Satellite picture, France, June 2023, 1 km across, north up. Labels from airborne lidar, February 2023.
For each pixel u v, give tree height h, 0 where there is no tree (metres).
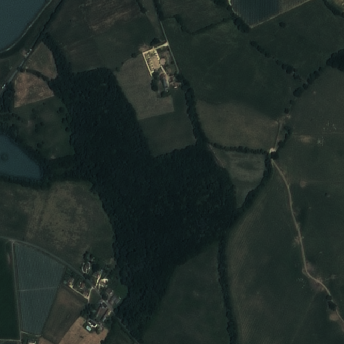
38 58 0
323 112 0
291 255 0
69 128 10
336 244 0
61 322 0
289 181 0
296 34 0
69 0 0
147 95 0
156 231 33
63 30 0
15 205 0
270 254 0
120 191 24
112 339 0
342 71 15
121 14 0
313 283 0
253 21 0
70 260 0
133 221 20
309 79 12
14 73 0
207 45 0
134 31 0
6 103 20
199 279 0
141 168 26
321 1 0
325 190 0
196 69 0
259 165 0
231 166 0
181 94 0
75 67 0
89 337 0
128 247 24
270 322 0
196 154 22
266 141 0
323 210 0
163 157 16
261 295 0
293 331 0
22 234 0
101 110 27
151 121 0
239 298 0
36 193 0
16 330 0
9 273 0
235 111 0
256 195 15
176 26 0
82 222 0
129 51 0
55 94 6
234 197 16
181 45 0
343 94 0
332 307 21
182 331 0
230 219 24
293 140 0
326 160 0
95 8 0
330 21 0
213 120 0
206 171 23
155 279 26
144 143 25
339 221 0
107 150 29
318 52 0
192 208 28
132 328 19
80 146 19
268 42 0
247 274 0
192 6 0
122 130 26
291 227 0
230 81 0
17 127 19
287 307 0
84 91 31
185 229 28
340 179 0
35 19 0
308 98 0
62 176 9
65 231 0
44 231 0
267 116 0
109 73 22
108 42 0
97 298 0
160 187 27
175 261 29
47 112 0
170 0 0
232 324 14
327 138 0
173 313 0
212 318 0
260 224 0
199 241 27
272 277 0
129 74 0
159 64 0
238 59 0
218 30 0
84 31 0
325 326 0
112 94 29
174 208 27
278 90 0
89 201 0
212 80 0
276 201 0
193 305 0
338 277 0
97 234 0
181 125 0
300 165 0
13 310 0
